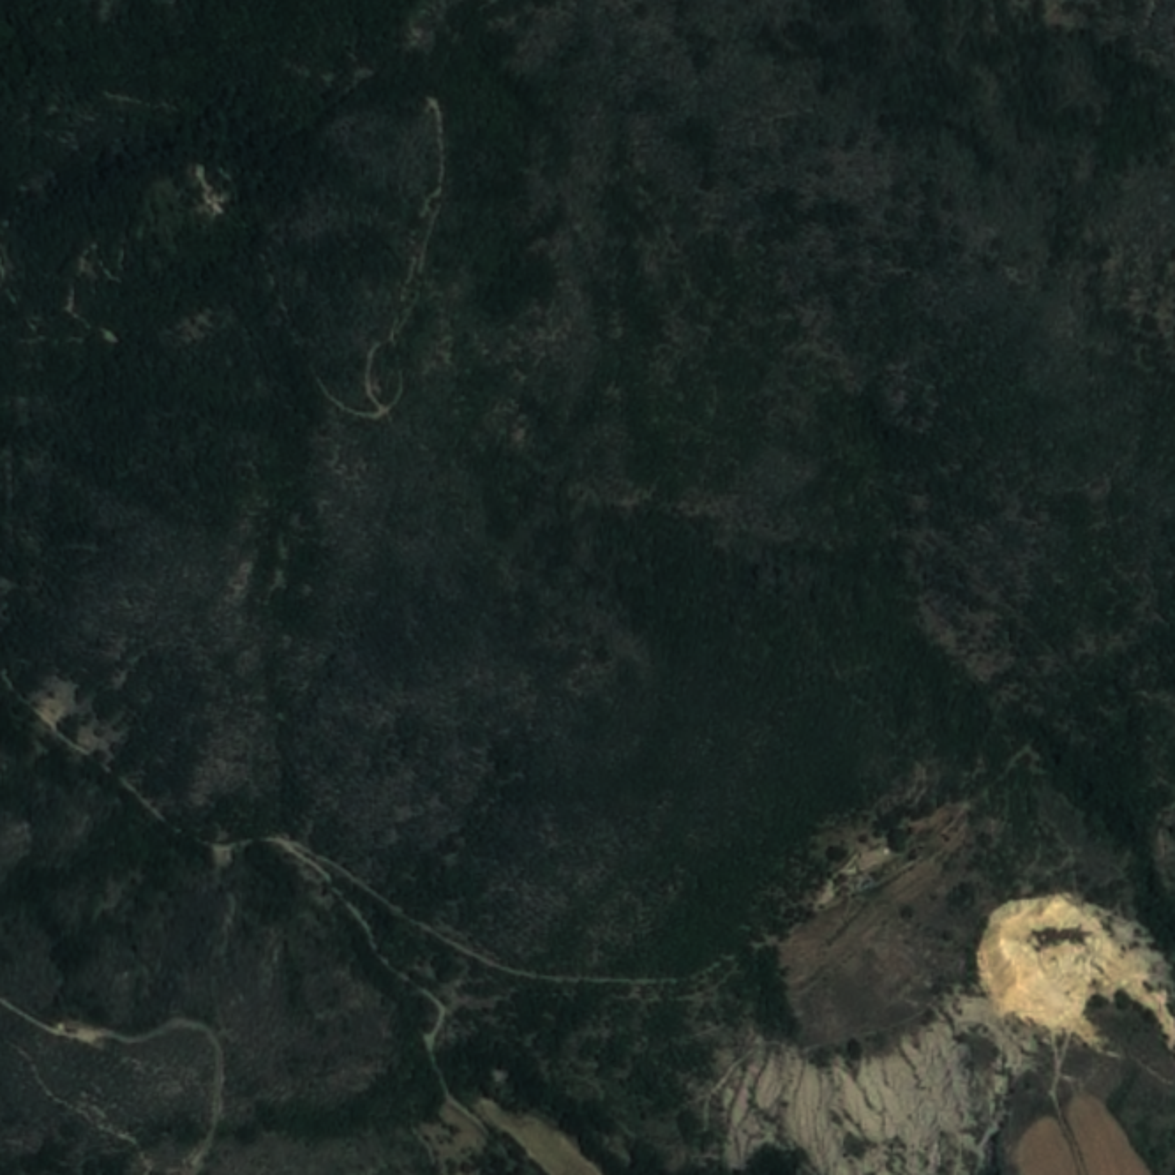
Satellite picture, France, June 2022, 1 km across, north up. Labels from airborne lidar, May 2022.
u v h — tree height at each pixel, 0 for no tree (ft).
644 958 23
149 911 20
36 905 39
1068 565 27
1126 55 41
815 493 22
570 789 25
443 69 25
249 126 55
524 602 21
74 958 30
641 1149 39
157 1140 20
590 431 20
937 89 29
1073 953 0
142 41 49
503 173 26
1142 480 18
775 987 38
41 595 23
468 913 25
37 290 19
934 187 27
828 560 32
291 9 48
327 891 24
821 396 21
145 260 41
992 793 24
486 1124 21
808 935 0
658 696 24
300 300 18
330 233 19
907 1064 0
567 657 18
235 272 45
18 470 20
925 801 30
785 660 25
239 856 39
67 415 26
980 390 23
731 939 31
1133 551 19
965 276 20
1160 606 23
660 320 24
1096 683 29
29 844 20
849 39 33
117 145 52
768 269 21
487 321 20
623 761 20
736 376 25
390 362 17
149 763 22
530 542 17
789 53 20
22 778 31
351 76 22
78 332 26
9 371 29
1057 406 19
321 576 21
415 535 19
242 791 21
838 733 21
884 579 30
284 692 25
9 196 56
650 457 22
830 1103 0
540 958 23
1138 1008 19
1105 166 25
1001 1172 18
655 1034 31
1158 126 32
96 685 18
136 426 23
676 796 19
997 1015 0
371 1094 24
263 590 28
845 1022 0
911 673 35
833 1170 0
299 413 30
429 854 22
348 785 19
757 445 19
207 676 20
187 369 30
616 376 21
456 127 27
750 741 21
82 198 34
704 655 22
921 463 21
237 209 41
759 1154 30
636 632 24
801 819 31
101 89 35
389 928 31
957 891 25
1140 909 23
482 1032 25
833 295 30
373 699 20
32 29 60
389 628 31
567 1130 33
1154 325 30
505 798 28
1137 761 26
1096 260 21
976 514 22
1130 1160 0
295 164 42
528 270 25
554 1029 20
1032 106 20
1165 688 28
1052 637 33
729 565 26
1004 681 26
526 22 21
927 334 19
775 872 34
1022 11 25
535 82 22
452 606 22
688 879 28
